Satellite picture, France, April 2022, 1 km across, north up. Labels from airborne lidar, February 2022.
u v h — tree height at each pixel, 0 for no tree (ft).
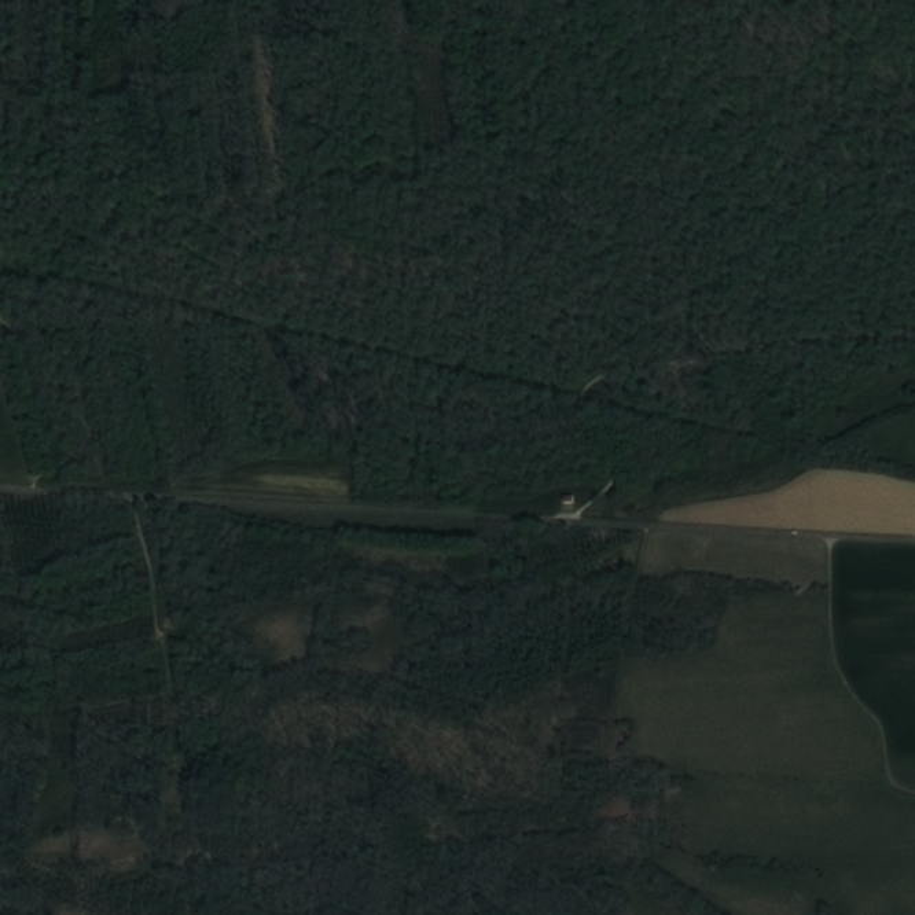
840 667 0
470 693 63
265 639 0
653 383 87
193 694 58
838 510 0
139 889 0
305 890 57
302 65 93
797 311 77
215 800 88
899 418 20
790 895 0
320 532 21
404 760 71
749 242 85
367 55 83
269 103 0
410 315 90
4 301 80
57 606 78
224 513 27
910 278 81
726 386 90
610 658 38
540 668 46
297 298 89
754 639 0
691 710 0
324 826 0
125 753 67
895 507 0
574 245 85
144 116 101
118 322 88
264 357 83
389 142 79
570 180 96
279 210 0
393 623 0
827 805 0
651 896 0
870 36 87
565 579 0
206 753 73
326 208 89
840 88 72
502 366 87
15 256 77
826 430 0
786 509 0
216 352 84
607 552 0
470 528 0
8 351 87
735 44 90
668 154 93
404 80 64
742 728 0
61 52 74
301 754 57
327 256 88
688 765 0
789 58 101
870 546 0
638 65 75
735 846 0
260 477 0
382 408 91
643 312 93
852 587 0
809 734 0
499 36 90
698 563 0
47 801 0
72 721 0
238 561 18
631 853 0
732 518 0
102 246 95
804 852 0
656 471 86
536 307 89
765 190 89
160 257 83
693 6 95
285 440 78
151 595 73
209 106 95
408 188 89
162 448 60
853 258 91
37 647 74
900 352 82
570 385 80
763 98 92
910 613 0
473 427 93
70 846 0
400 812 64
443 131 0
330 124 90
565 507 0
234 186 82
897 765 0
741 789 0
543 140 85
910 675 0
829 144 87
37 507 0
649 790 74
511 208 95
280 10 90
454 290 83
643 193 89
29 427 69
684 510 0
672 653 29
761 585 25
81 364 30
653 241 78
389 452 96
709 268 82
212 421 37
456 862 61
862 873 0
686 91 81
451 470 96
